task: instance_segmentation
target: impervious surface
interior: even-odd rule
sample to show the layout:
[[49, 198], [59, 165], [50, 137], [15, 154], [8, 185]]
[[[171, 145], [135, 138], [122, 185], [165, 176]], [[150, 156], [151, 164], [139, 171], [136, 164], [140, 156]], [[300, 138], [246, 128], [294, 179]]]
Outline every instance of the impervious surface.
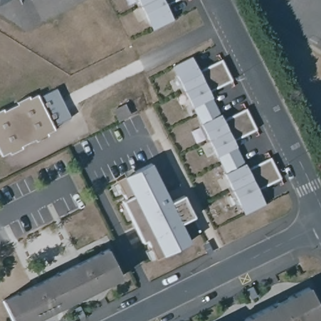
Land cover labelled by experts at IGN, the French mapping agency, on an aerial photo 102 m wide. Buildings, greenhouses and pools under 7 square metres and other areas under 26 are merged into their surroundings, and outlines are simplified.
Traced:
[[56, 15], [75, 9], [76, 5], [82, 4], [85, 0], [0, 0], [0, 20], [8, 21], [19, 31], [33, 30], [36, 26], [46, 24], [46, 20]]
[[288, 0], [293, 13], [300, 21], [303, 35], [306, 36], [310, 48], [317, 46], [321, 49], [321, 0]]
[[[99, 253], [112, 251], [125, 273], [127, 282], [118, 288], [110, 287], [95, 297], [88, 297], [89, 302], [100, 301], [102, 307], [95, 308], [90, 316], [80, 313], [75, 321], [246, 321], [268, 307], [276, 308], [277, 303], [287, 301], [295, 293], [306, 288], [315, 291], [321, 302], [321, 179], [313, 172], [308, 159], [308, 155], [311, 154], [308, 152], [307, 144], [303, 142], [300, 127], [293, 119], [276, 80], [272, 78], [271, 71], [268, 70], [256, 43], [251, 43], [243, 28], [245, 20], [239, 19], [236, 0], [182, 0], [178, 3], [181, 4], [183, 14], [197, 10], [203, 21], [203, 25], [198, 29], [158, 46], [153, 54], [75, 90], [64, 99], [66, 108], [73, 115], [69, 122], [56, 128], [56, 132], [51, 129], [51, 137], [26, 147], [18, 155], [4, 158], [10, 166], [20, 168], [64, 145], [68, 145], [69, 150], [73, 157], [64, 169], [58, 166], [54, 169], [41, 169], [38, 181], [34, 182], [33, 178], [26, 177], [11, 187], [6, 186], [0, 192], [0, 238], [13, 243], [15, 260], [18, 260], [21, 266], [29, 266], [30, 271], [26, 272], [26, 276], [31, 281], [23, 287], [26, 291], [39, 286], [49, 278], [58, 276], [59, 273], [80, 265]], [[222, 100], [226, 110], [234, 107], [238, 112], [242, 112], [248, 109], [255, 119], [258, 132], [242, 139], [243, 145], [239, 147], [239, 152], [250, 168], [266, 159], [275, 160], [282, 181], [271, 187], [265, 184], [260, 188], [266, 202], [290, 196], [290, 213], [285, 218], [248, 233], [224, 247], [209, 221], [206, 208], [211, 204], [209, 196], [204, 184], [198, 183], [193, 186], [191, 177], [188, 176], [179, 158], [177, 149], [168, 139], [157, 113], [153, 108], [149, 108], [144, 112], [135, 110], [132, 113], [128, 105], [119, 105], [115, 118], [123, 122], [118, 132], [105, 134], [92, 142], [83, 142], [80, 147], [74, 147], [75, 140], [89, 134], [88, 125], [80, 113], [83, 107], [79, 103], [82, 100], [112, 87], [128, 76], [153, 68], [164, 60], [172, 60], [174, 56], [203, 44], [204, 41], [212, 40], [213, 45], [194, 54], [194, 59], [201, 70], [217, 61], [226, 61], [233, 76], [233, 83], [221, 89], [216, 87], [211, 90], [214, 103]], [[142, 262], [149, 260], [147, 246], [140, 242], [137, 232], [134, 231], [123, 231], [105, 196], [105, 188], [112, 187], [120, 179], [135, 176], [142, 168], [153, 164], [173, 201], [187, 197], [191, 202], [197, 214], [197, 221], [187, 226], [192, 238], [202, 237], [206, 245], [206, 253], [202, 256], [152, 280], [148, 280], [142, 268]], [[76, 250], [71, 245], [69, 234], [63, 226], [75, 214], [84, 214], [83, 204], [89, 204], [90, 208], [98, 206], [112, 236], [99, 238]]]

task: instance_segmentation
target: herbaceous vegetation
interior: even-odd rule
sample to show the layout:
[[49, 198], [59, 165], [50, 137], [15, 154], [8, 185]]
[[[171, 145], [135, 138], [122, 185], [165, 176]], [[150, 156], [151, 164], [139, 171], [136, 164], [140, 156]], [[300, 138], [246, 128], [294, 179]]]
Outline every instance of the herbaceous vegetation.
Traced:
[[173, 68], [184, 61], [194, 59], [194, 54], [213, 45], [212, 40], [204, 41], [203, 44], [174, 56], [172, 60], [164, 60], [153, 68], [128, 76], [112, 87], [82, 100], [79, 103], [83, 107], [80, 113], [88, 125], [89, 134], [112, 124], [115, 118], [119, 105], [128, 105], [132, 113], [135, 110], [144, 112], [149, 108], [158, 100], [150, 76], [167, 68], [168, 65], [172, 65]]
[[290, 213], [290, 196], [266, 202], [265, 207], [250, 214], [242, 212], [237, 206], [231, 206], [227, 197], [211, 204], [206, 208], [209, 221], [224, 247], [248, 233], [285, 218]]
[[157, 83], [163, 95], [171, 94], [174, 90], [171, 83], [176, 79], [176, 73], [173, 70], [160, 76]]
[[38, 181], [41, 169], [54, 169], [58, 166], [64, 169], [73, 157], [69, 150], [36, 164], [35, 167], [9, 181], [0, 183], [0, 192], [6, 186], [11, 187], [26, 177], [33, 178], [34, 182]]
[[197, 143], [199, 148], [186, 155], [193, 173], [201, 171], [217, 160], [216, 157], [207, 157], [204, 153], [203, 147], [207, 140]]
[[98, 206], [90, 208], [89, 204], [83, 204], [84, 214], [75, 214], [63, 226], [69, 234], [71, 245], [76, 250], [99, 238], [112, 236]]
[[166, 257], [163, 261], [149, 260], [142, 262], [142, 268], [148, 280], [152, 280], [202, 256], [206, 253], [206, 245], [202, 237], [192, 238], [192, 246], [177, 255]]
[[115, 196], [112, 187], [105, 188], [105, 196], [123, 231], [134, 231], [132, 222], [120, 211], [122, 196]]
[[224, 172], [221, 164], [204, 176], [197, 177], [198, 183], [204, 184], [209, 196], [222, 191], [218, 184]]
[[199, 129], [197, 117], [173, 129], [182, 148], [196, 143], [193, 132]]
[[0, 238], [0, 303], [6, 301], [6, 296], [10, 293], [23, 287], [31, 281], [26, 276], [26, 272], [30, 271], [29, 266], [21, 266], [18, 260], [15, 260], [13, 243]]
[[189, 115], [186, 105], [179, 104], [179, 98], [162, 105], [168, 123], [172, 124]]
[[283, 48], [282, 58], [287, 58], [288, 65], [295, 69], [297, 83], [300, 84], [301, 92], [307, 99], [307, 107], [321, 127], [321, 49], [317, 46], [310, 48], [306, 36], [303, 35], [300, 21], [293, 13], [288, 0], [257, 0], [260, 8], [266, 13], [268, 24], [276, 31], [275, 38], [280, 39]]
[[26, 93], [31, 93], [33, 97], [41, 97], [50, 93], [48, 88], [54, 87], [59, 87], [64, 99], [75, 90], [153, 54], [158, 46], [198, 29], [203, 25], [203, 21], [197, 10], [183, 14], [179, 18], [174, 18], [172, 24], [154, 30], [147, 21], [137, 19], [134, 11], [138, 9], [138, 5], [130, 6], [127, 0], [85, 0], [82, 4], [76, 5], [75, 9], [56, 15], [46, 20], [46, 24], [36, 26], [33, 30], [19, 31], [8, 21], [0, 20], [0, 104], [10, 109], [24, 100]]

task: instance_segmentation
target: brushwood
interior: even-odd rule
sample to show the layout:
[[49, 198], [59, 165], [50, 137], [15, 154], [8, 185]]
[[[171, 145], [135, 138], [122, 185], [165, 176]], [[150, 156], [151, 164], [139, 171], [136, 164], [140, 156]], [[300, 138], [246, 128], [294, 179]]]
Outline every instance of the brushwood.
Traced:
[[182, 90], [174, 90], [171, 94], [163, 95], [157, 83], [160, 76], [173, 70], [173, 68], [172, 65], [168, 65], [167, 68], [150, 76], [158, 100], [149, 108], [153, 108], [157, 113], [168, 139], [177, 149], [179, 158], [188, 176], [191, 177], [193, 186], [198, 183], [197, 177], [204, 176], [221, 164], [217, 160], [201, 171], [193, 173], [186, 155], [199, 148], [197, 143], [196, 143], [182, 148], [173, 129], [197, 117], [197, 114], [189, 115], [172, 124], [168, 123], [162, 105], [179, 98]]
[[69, 150], [68, 145], [64, 145], [20, 168], [10, 166], [4, 158], [0, 157], [0, 183], [9, 181], [35, 167], [36, 164]]
[[105, 134], [118, 132], [123, 122], [115, 118], [112, 124], [89, 134], [75, 140], [74, 147], [80, 147], [83, 142], [92, 142]]

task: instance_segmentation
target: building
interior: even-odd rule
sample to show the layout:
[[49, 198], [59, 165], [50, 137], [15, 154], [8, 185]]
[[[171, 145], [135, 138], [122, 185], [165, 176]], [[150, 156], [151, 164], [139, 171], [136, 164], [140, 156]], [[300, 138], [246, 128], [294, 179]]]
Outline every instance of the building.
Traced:
[[246, 321], [321, 321], [321, 302], [315, 291], [306, 288], [295, 293], [287, 301], [277, 303], [276, 308], [268, 307]]
[[10, 109], [0, 104], [0, 157], [4, 158], [18, 155], [26, 147], [51, 137], [51, 129], [56, 132], [56, 128], [69, 122], [73, 115], [66, 108], [64, 99], [59, 87], [54, 87], [48, 88], [50, 93], [41, 97], [33, 97], [31, 93], [26, 93], [24, 100]]
[[183, 14], [181, 4], [178, 3], [182, 0], [127, 0], [130, 6], [138, 5], [138, 9], [134, 11], [137, 19], [147, 21], [154, 30], [172, 24], [174, 18], [179, 18]]
[[23, 287], [10, 293], [6, 296], [6, 301], [0, 303], [0, 321], [60, 321], [76, 303], [89, 302], [88, 297], [95, 297], [110, 287], [118, 288], [127, 282], [125, 273], [112, 251], [99, 253], [80, 265], [59, 273], [58, 276], [49, 278], [39, 286], [26, 291]]
[[122, 196], [120, 211], [132, 222], [134, 231], [137, 232], [140, 242], [147, 246], [149, 260], [163, 261], [166, 257], [177, 255], [192, 246], [192, 238], [187, 226], [197, 221], [197, 214], [191, 202], [187, 197], [173, 201], [153, 164], [142, 168], [135, 176], [120, 179], [112, 187], [115, 196]]
[[255, 119], [248, 109], [242, 112], [238, 112], [234, 107], [226, 110], [222, 100], [214, 103], [211, 90], [216, 87], [221, 89], [233, 83], [233, 76], [226, 61], [217, 61], [201, 70], [194, 59], [184, 61], [173, 68], [173, 70], [176, 73], [176, 79], [171, 83], [174, 90], [182, 90], [179, 98], [179, 104], [186, 105], [189, 115], [197, 114], [197, 117], [199, 129], [193, 132], [196, 143], [197, 143], [207, 140], [203, 147], [204, 153], [207, 157], [216, 157], [217, 160], [221, 164], [224, 172], [218, 184], [222, 191], [209, 196], [211, 204], [227, 197], [231, 206], [237, 206], [242, 212], [250, 214], [265, 207], [266, 202], [260, 188], [265, 184], [271, 187], [282, 181], [275, 160], [266, 159], [250, 168], [239, 152], [239, 147], [243, 145], [242, 139], [258, 132]]

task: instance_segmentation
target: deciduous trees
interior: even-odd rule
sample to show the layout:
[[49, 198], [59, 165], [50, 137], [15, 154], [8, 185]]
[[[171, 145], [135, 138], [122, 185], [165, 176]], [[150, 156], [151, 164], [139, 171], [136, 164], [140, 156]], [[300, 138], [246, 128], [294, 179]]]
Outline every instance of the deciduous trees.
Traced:
[[75, 321], [80, 313], [90, 316], [95, 308], [102, 307], [100, 301], [89, 302], [76, 303], [60, 321]]
[[301, 92], [300, 84], [297, 83], [295, 69], [288, 65], [287, 58], [282, 58], [283, 48], [280, 39], [275, 38], [276, 31], [268, 24], [266, 13], [260, 8], [257, 0], [236, 0], [239, 19], [245, 20], [243, 28], [251, 43], [256, 43], [268, 70], [271, 71], [272, 78], [276, 80], [293, 119], [300, 127], [303, 142], [307, 144], [308, 152], [311, 154], [308, 155], [308, 159], [313, 172], [321, 179], [321, 127], [307, 107], [307, 99]]

